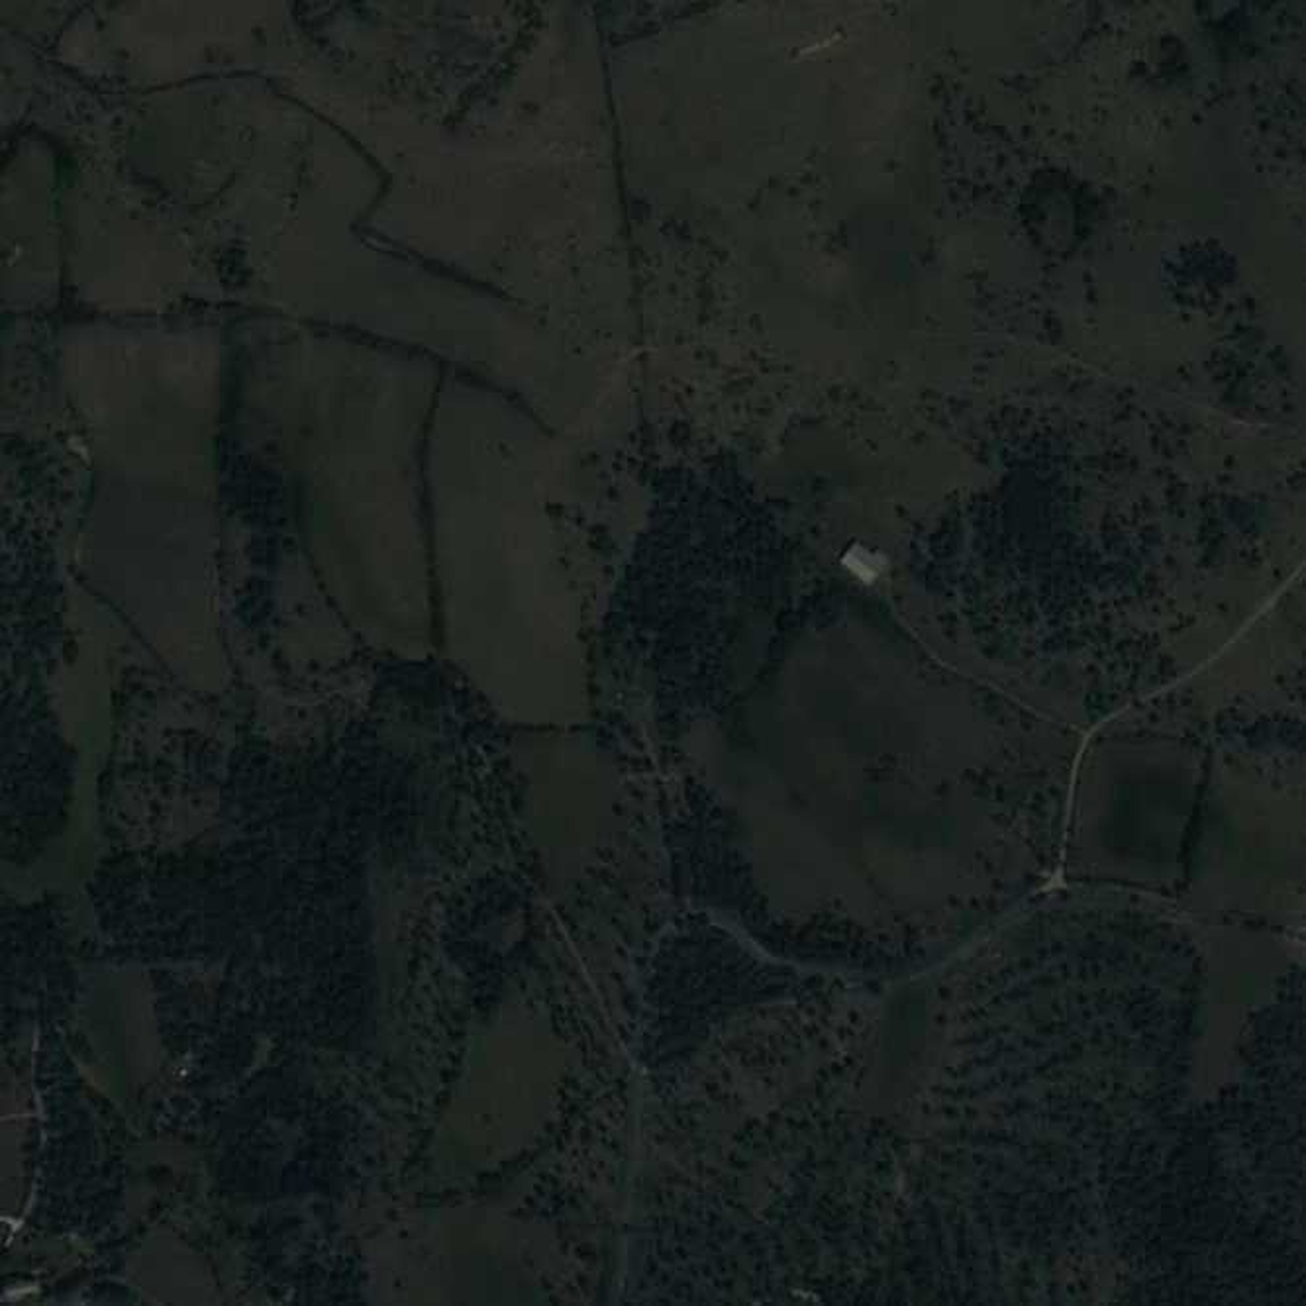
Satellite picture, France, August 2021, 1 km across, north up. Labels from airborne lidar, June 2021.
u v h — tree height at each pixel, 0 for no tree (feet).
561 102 0
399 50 0
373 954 48
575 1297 38
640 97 0
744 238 0
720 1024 31
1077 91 0
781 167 0
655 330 0
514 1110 0
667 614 29
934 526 0
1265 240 0
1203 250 21
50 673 19
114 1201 45
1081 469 31
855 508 0
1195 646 0
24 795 34
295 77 0
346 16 0
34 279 0
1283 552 0
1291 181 0
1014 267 0
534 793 0
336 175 0
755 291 0
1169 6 0
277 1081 50
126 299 0
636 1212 0
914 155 0
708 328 0
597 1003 0
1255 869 0
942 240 0
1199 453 0
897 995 0
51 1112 32
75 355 0
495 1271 0
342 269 0
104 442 0
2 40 0
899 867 0
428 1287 0
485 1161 0
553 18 0
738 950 44
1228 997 0
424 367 0
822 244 0
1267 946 0
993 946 0
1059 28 0
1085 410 0
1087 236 32
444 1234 0
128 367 0
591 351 0
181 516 0
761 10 0
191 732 23
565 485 0
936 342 0
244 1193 48
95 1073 0
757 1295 35
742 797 0
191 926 36
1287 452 0
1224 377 27
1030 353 0
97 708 0
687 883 35
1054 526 29
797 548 29
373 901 39
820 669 0
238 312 28
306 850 56
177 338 0
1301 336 0
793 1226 44
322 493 0
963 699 0
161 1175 44
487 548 0
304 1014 36
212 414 0
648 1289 38
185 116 0
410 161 0
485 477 0
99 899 49
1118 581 26
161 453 0
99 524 0
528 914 25
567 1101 39
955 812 0
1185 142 0
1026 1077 23
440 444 0
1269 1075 26
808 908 0
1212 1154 30
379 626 0
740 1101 26
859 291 0
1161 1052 18
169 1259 0
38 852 33
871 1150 39
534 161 0
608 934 0
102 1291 45
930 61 0
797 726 0
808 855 0
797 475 0
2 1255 27
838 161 0
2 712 31
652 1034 24
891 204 0
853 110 0
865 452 0
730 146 0
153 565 0
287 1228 27
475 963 23
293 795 37
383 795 46
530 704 0
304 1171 28
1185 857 30
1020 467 30
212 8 0
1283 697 0
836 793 0
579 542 0
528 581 0
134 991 0
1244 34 23
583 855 0
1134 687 20
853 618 0
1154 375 0
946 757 0
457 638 0
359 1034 43
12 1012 38
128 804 0
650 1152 0
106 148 0
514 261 0
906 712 0
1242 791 0
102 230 0
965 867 0
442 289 0
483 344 0
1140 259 0
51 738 33
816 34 0
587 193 0
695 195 0
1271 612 0
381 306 0
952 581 26
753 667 0
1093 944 20
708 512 33
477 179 0
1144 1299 32
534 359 0
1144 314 0
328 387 0
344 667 23
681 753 25
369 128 0
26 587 30
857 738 0
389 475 0
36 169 0
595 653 24
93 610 0
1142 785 0
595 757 0
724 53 0
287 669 38
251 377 0
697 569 34
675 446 18
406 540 0
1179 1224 44
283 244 0
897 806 0
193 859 31
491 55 0
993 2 0
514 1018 0
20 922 27
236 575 0
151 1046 0
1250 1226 32
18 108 0
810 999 31
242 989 31
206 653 0
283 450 0
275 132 0
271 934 43
